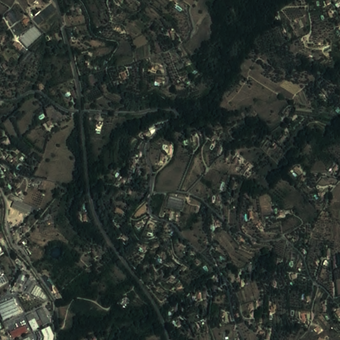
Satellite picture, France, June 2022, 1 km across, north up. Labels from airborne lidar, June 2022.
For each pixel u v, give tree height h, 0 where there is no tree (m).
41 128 6
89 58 13
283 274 8
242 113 0
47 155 0
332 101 13
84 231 12
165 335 12
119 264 22
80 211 7
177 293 11
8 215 0
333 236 0
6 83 14
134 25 0
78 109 11
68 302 9
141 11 10
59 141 0
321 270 11
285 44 6
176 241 7
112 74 6
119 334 15
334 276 12
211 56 14
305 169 8
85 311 6
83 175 15
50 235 0
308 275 8
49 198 0
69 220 12
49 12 0
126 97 16
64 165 0
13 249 10
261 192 8
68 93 0
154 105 14
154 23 8
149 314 19
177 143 8
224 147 12
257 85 0
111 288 10
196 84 11
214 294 17
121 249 24
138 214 0
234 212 6
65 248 13
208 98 11
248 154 0
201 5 0
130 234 21
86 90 9
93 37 12
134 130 23
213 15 21
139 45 0
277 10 18
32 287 0
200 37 0
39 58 7
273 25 16
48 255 7
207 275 8
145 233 0
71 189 16
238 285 12
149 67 13
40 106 12
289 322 6
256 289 0
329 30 6
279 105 0
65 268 7
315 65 18
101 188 24
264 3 20
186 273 10
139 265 13
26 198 0
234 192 19
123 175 11
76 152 12
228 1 15
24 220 10
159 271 9
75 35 8
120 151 8
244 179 14
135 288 6
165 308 18
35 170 14
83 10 6
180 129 15
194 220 6
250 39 19
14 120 18
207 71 13
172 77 7
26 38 0
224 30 15
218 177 0
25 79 13
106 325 18
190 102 19
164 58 6
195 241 0
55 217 6
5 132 6
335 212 0
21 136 15
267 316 8
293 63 8
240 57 16
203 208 7
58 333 14
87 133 12
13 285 10
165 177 0
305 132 17
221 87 16
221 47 22
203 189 0
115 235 13
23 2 0
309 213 0
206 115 20
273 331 7
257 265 9
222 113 22
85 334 18
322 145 8
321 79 11
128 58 0
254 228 9
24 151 16
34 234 0
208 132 17
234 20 19
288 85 0
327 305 6
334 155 6
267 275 7
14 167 8
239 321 8
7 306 0
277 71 14
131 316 9
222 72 18
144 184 7
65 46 13
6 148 10
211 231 11
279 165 14
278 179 16
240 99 0
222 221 13
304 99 0
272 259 15
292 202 0
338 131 23
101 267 8
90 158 18
